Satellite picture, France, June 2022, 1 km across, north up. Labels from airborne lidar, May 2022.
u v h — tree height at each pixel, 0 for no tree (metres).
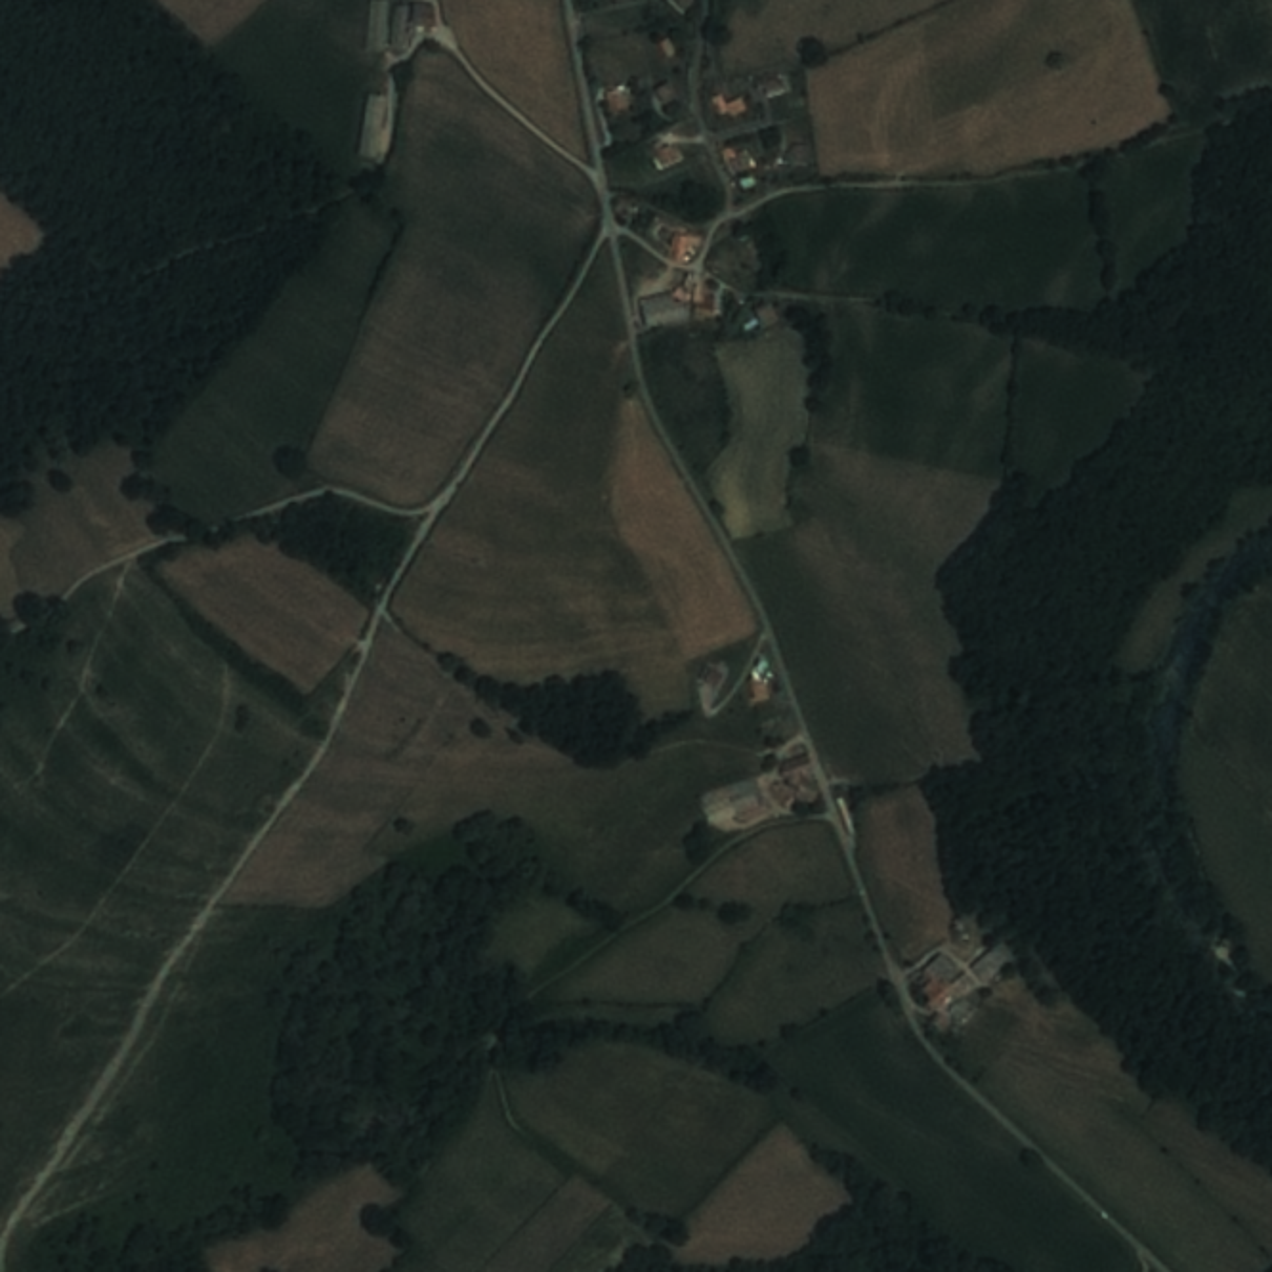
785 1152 0
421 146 0
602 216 0
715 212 7
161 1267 9
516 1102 0
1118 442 12
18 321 9
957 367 0
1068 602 9
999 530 21
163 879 0
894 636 0
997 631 25
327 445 0
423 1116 10
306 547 12
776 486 0
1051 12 0
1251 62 0
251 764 0
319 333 0
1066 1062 0
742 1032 0
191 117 16
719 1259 0
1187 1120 0
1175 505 16
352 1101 22
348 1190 0
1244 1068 24
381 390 0
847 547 0
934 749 0
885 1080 0
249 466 0
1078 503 19
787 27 0
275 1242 0
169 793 0
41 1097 0
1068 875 21
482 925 21
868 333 0
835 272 0
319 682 0
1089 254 0
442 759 0
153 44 6
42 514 0
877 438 0
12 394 16
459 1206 0
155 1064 0
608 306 0
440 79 0
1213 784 0
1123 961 29
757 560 0
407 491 0
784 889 0
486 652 0
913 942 0
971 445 0
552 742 13
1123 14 0
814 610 0
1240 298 16
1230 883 0
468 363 0
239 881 0
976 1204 0
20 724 0
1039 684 23
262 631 0
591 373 0
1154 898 21
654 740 13
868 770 0
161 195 9
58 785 0
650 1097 0
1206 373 15
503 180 0
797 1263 8
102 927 0
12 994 0
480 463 0
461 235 0
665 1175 0
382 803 0
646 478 0
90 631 0
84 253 14
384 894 10
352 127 0
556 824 0
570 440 0
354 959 17
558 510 0
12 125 12
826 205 0
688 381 0
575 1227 0
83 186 11
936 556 0
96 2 6
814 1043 0
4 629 10
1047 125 0
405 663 0
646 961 0
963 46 0
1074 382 0
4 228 0
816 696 0
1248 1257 0
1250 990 20
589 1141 0
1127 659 0
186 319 6
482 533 0
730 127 0
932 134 0
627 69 0
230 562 0
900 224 0
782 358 0
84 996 0
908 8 0
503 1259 0
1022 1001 0
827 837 0
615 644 0
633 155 0
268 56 0
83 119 13
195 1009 0
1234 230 12
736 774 0
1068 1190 0
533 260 0
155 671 0
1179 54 0
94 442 7
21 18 11
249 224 9
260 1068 0
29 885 0
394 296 0
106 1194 0
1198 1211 0
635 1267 12
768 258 7
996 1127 0
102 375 18
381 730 0
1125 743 26
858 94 0
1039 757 25
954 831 12
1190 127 0
